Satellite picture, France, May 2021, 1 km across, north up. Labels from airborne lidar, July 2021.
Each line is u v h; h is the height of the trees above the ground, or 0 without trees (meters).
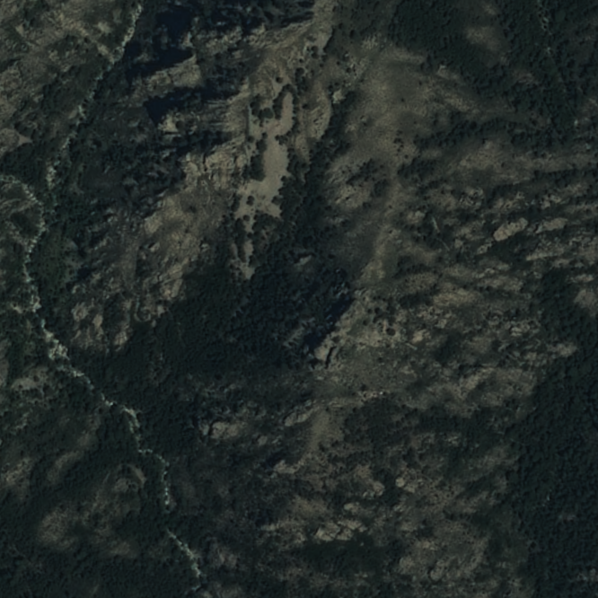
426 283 0
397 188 0
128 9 10
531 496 24
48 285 15
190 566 14
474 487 17
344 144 14
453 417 7
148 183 26
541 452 24
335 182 0
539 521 15
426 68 20
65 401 7
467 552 0
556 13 29
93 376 16
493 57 0
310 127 0
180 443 16
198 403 16
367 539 6
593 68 19
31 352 9
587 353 23
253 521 15
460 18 17
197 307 17
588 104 0
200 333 15
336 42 21
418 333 0
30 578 20
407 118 0
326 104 0
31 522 16
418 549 0
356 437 11
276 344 14
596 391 27
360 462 9
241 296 21
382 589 16
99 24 0
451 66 15
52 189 6
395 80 0
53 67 10
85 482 17
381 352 0
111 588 15
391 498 21
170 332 16
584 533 17
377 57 0
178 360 16
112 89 12
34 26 17
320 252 11
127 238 0
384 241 0
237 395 10
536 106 35
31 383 0
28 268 6
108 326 14
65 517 0
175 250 0
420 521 0
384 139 0
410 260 11
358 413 19
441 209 0
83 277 6
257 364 7
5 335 12
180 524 23
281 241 18
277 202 22
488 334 0
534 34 15
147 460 22
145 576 16
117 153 6
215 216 0
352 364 0
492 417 9
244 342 16
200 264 6
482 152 0
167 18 7
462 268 0
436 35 15
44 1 19
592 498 17
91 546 14
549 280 20
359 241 0
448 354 12
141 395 20
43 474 15
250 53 0
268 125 0
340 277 12
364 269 0
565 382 18
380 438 15
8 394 6
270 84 0
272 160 0
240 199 11
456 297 0
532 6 19
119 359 21
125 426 24
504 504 20
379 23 17
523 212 11
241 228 17
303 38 0
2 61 7
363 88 0
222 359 8
